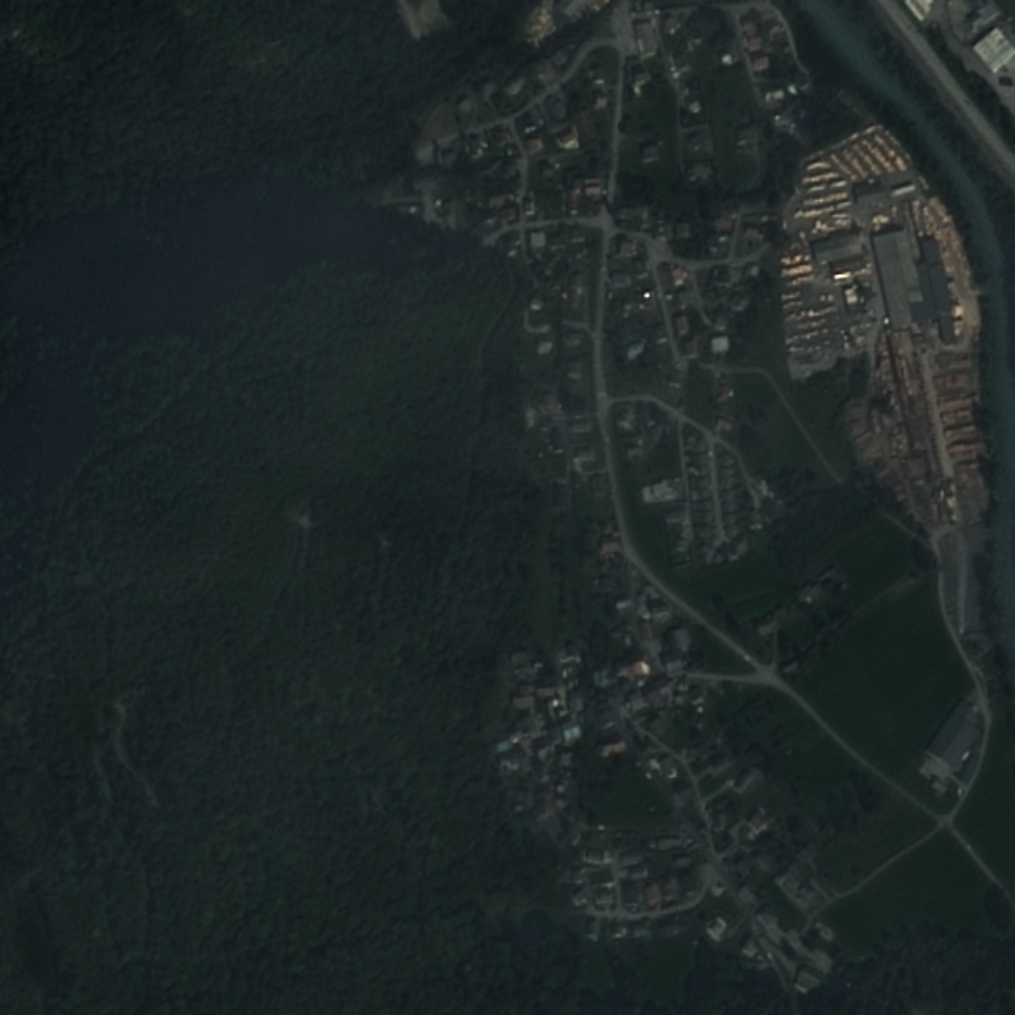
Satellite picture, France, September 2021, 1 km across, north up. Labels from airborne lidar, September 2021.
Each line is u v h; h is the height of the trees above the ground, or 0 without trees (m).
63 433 16
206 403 21
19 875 13
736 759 12
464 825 29
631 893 0
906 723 0
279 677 27
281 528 18
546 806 0
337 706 30
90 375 11
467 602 27
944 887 0
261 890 20
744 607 0
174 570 11
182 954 32
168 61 26
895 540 0
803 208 0
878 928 0
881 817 30
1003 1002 16
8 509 24
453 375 24
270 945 31
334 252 24
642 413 13
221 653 24
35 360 38
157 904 12
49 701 21
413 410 25
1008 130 15
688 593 0
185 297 28
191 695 32
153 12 28
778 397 0
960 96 0
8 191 27
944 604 0
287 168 16
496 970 30
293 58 12
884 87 0
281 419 19
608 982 0
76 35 19
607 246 0
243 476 19
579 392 0
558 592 6
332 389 20
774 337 0
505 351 8
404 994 20
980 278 12
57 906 20
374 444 20
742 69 7
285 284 19
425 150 0
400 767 25
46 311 25
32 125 25
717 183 7
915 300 0
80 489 18
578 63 0
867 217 0
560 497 0
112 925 14
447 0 19
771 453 0
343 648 19
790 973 0
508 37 22
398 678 26
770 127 7
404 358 19
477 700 23
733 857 0
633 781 0
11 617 15
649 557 0
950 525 0
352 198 20
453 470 22
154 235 26
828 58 11
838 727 0
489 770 10
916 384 0
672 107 0
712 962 24
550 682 15
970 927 0
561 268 8
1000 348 0
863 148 0
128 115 23
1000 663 15
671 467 0
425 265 17
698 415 0
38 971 9
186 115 18
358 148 20
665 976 0
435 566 14
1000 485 15
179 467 20
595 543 15
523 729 0
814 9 0
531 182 0
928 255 0
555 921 0
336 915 28
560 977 29
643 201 14
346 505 20
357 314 21
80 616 9
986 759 0
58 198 34
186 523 21
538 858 16
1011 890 0
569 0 0
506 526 34
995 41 0
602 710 0
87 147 38
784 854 7
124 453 17
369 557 17
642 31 0
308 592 21
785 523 8
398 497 23
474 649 10
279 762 31
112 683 17
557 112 0
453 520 26
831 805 0
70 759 34
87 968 22
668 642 8
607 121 0
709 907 0
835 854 0
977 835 0
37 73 21
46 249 26
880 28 14
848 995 30
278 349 22
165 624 24
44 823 6
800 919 0
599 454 0
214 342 11
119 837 24
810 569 18
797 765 0
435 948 23
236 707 30
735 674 0
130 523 17
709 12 8
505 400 16
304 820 28
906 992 8
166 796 12
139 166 32
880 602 0
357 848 25
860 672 0
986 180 17
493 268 18
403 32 13
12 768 27
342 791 28
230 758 27
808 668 19
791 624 0
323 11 20
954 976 30
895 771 0
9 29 8
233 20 14
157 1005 22
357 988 27
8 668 17
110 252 17
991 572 22
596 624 6
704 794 0
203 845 25
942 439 0
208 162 26
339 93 19
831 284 0
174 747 34
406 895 25
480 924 34
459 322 16
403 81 14
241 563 15
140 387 13
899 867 0
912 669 0
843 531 24
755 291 13
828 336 0
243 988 27
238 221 28
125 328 17
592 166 9
